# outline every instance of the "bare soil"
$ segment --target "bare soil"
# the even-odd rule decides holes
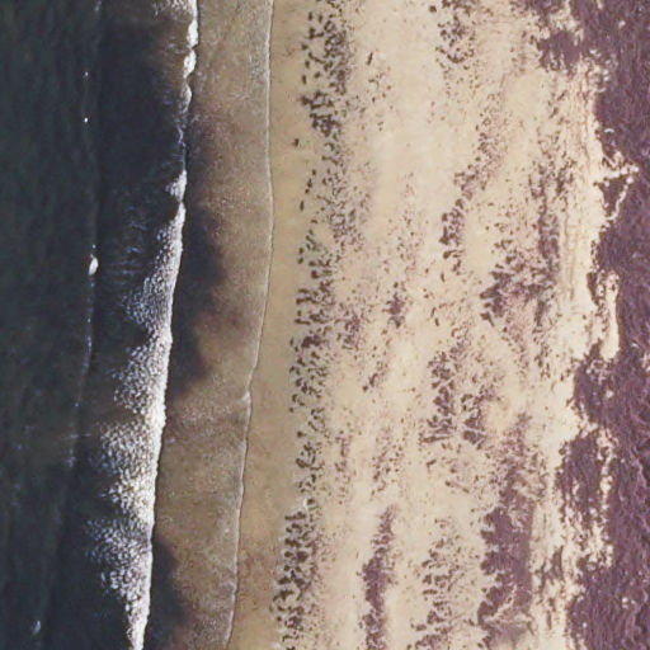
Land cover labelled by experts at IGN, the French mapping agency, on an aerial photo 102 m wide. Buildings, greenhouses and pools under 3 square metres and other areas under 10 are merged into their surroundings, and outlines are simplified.
[[[208,102],[208,107],[216,109],[216,127],[213,137],[198,132],[198,124],[185,127],[188,183],[183,256],[173,295],[173,345],[165,386],[165,427],[160,437],[155,477],[150,614],[142,650],[650,650],[650,0],[213,0],[213,8],[223,8],[223,18],[208,30],[206,43],[206,56],[218,61]]]

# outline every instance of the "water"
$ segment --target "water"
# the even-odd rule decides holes
[[[213,137],[216,127],[216,109],[208,107],[208,102],[218,61],[206,56],[206,43],[208,30],[223,18],[223,8],[213,8],[213,0],[0,0],[0,650],[142,650],[150,614],[155,477],[160,437],[165,427],[165,386],[173,345],[173,295],[183,256],[188,183],[185,127],[198,124],[198,132]]]

